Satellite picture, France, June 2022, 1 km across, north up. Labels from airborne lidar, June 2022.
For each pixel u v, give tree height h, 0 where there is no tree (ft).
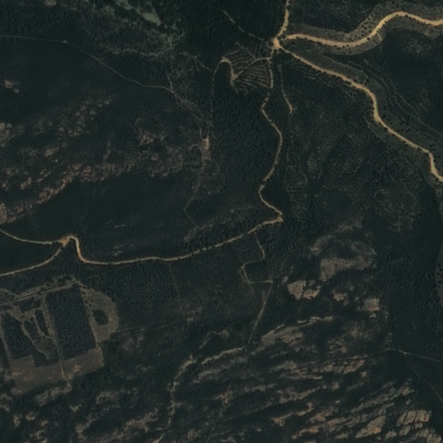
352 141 21
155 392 20
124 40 19
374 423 0
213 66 23
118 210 17
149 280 26
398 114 21
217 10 30
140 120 0
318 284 0
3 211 0
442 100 28
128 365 24
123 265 23
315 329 27
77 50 18
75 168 0
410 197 20
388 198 20
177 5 27
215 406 21
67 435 20
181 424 19
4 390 0
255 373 0
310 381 21
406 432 0
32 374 0
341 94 24
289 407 19
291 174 22
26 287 19
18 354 17
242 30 22
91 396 19
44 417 20
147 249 23
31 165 0
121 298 35
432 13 0
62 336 18
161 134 0
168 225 18
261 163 53
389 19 0
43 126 0
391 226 20
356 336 0
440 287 36
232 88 26
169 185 18
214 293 48
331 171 22
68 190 23
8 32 18
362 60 19
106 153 0
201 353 23
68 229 21
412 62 24
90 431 24
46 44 20
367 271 27
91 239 30
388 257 23
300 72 20
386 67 23
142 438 19
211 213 24
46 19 23
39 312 22
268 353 0
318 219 39
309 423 0
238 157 20
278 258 21
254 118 55
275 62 35
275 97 24
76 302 27
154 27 46
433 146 41
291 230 31
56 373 0
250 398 22
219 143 32
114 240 18
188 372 19
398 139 0
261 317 0
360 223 0
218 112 39
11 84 0
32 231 19
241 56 29
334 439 0
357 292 0
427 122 20
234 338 0
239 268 24
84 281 27
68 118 19
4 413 24
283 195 26
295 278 20
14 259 23
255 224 31
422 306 32
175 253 24
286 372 0
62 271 21
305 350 0
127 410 23
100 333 0
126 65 22
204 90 25
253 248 26
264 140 22
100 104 0
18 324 26
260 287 0
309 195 21
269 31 26
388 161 29
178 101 20
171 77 19
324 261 0
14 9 29
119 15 25
